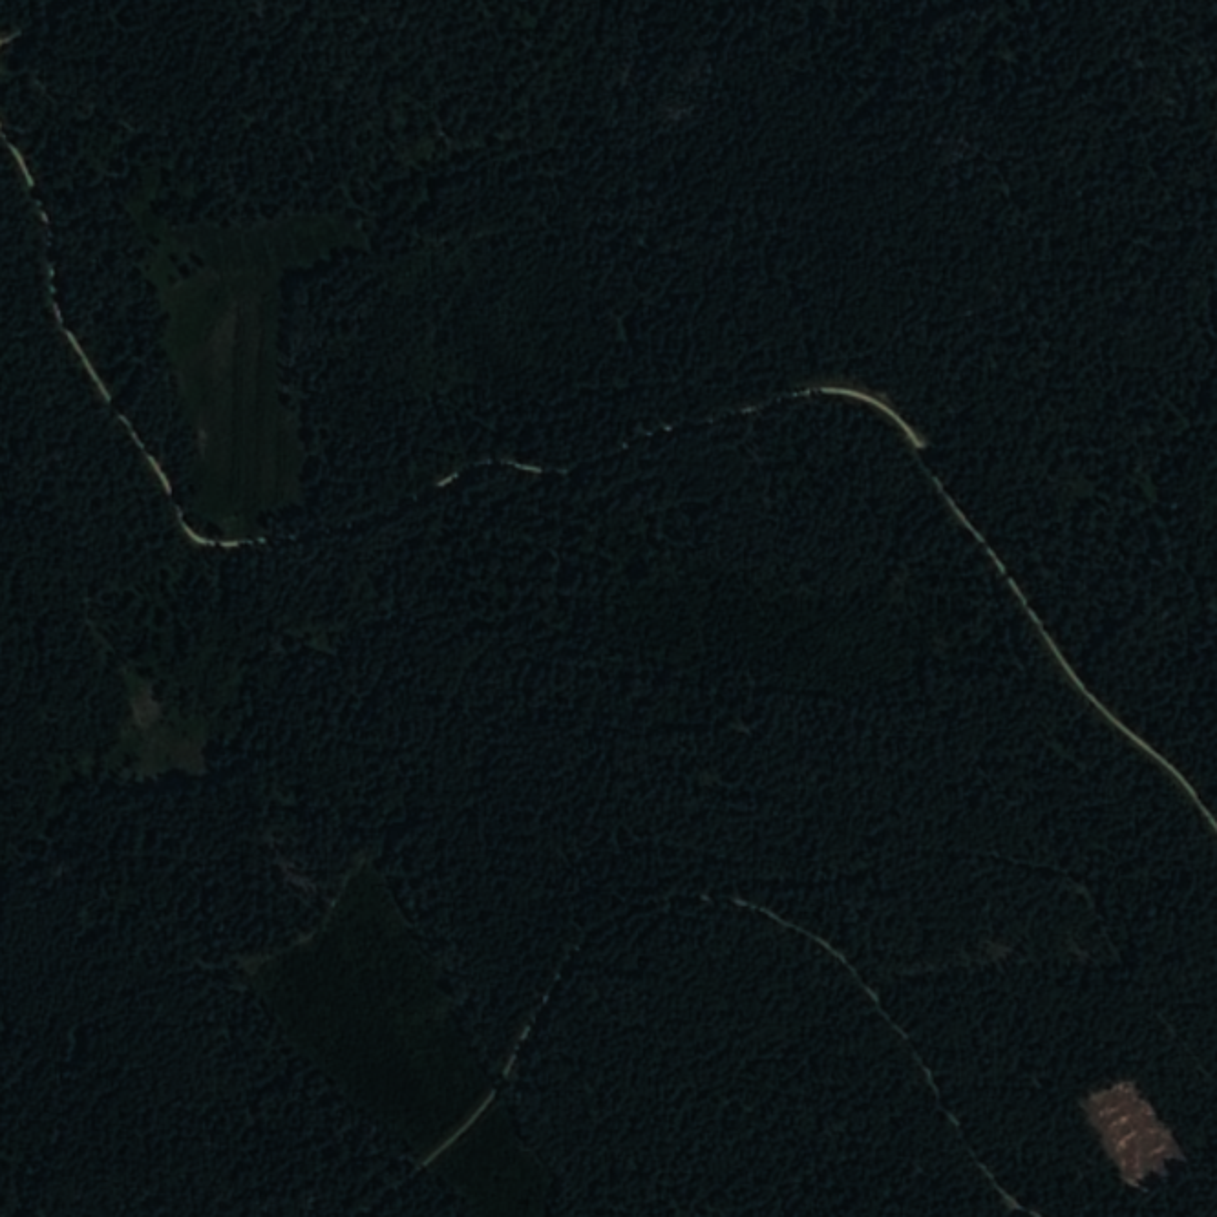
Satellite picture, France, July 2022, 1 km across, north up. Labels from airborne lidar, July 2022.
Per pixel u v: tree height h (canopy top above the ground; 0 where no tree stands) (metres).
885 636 11
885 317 20
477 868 22
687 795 24
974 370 23
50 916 25
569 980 20
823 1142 17
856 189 24
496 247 20
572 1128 14
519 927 20
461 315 17
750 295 23
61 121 17
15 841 21
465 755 21
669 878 20
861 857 17
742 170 22
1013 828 24
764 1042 17
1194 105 30
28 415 24
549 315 21
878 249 19
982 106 26
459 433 13
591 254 26
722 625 9
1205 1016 22
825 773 24
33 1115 20
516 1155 6
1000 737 23
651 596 10
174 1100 23
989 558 33
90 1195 18
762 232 25
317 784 22
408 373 16
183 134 23
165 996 23
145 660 23
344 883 18
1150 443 26
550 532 25
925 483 24
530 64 21
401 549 25
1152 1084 22
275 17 26
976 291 24
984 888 23
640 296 21
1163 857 29
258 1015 26
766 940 20
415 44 27
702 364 23
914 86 27
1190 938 26
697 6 26
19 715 17
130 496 29
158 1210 18
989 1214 21
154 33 23
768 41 22
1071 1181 19
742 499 25
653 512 18
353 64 10
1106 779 24
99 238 31
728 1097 16
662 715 11
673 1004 19
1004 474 26
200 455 14
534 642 23
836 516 24
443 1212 17
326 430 10
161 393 32
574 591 21
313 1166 23
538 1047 17
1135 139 27
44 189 11
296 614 18
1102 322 29
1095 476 26
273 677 19
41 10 27
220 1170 17
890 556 21
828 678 11
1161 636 18
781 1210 13
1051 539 30
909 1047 20
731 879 20
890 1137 21
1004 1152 15
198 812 16
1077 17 29
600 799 19
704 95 20
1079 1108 16
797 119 24
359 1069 6
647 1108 11
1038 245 30
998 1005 20
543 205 22
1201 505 34
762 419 10
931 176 21
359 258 20
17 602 25
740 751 19
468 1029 19
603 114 26
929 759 18
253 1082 21
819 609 14
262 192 24
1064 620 32
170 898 23
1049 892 23
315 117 19
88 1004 22
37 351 19
